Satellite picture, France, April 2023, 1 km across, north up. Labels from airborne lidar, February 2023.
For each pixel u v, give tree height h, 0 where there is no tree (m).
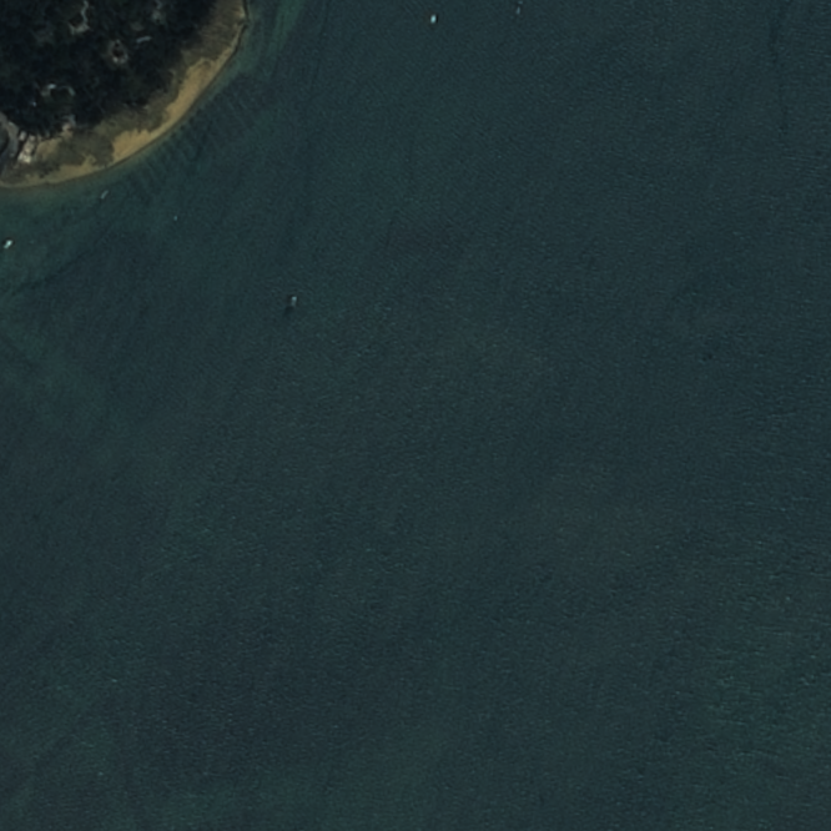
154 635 0
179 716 0
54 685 0
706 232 0
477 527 0
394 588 0
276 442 0
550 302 0
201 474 0
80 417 0
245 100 0
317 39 0
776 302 0
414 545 0
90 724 0
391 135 0
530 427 0
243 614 0
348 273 0
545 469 0
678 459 0
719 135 0
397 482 0
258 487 0
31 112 12
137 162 0
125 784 0
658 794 0
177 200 0
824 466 0
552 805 0
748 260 0
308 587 0
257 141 0
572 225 0
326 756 0
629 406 0
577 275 0
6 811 0
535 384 0
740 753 0
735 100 0
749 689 0
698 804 0
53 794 0
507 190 0
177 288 0
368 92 0
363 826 0
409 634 0
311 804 0
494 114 0
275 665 0
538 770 0
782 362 0
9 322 0
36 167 0
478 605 0
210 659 0
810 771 0
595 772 0
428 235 0
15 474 0
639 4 0
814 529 0
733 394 0
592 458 0
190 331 0
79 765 0
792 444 0
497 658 0
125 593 0
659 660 0
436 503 0
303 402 0
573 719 0
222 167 0
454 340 0
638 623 0
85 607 0
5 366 0
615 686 0
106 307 0
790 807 0
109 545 0
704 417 0
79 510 0
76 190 0
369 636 0
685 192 0
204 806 0
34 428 0
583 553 0
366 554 0
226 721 0
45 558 0
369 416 0
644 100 0
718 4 0
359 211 0
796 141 0
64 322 0
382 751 0
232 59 0
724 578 0
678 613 0
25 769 0
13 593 0
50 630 0
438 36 0
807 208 0
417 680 0
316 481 0
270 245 0
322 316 0
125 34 12
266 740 0
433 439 0
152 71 9
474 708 0
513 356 0
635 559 0
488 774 0
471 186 0
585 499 0
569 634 0
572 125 0
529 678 0
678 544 0
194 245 0
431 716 0
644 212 0
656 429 0
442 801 0
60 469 0
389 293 0
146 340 0
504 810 0
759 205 0
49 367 0
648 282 0
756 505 0
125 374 0
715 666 0
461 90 0
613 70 0
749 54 0
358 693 0
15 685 0
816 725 0
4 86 15
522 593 0
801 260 0
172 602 0
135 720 0
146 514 0
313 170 0
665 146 0
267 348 0
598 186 0
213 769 0
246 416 0
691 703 0
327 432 0
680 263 0
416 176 0
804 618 0
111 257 0
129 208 0
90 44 20
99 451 0
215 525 0
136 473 0
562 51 0
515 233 0
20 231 0
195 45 0
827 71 0
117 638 0
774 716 0
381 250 0
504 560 0
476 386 0
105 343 0
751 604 0
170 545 0
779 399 0
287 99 0
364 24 0
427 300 0
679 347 0
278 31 0
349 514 0
